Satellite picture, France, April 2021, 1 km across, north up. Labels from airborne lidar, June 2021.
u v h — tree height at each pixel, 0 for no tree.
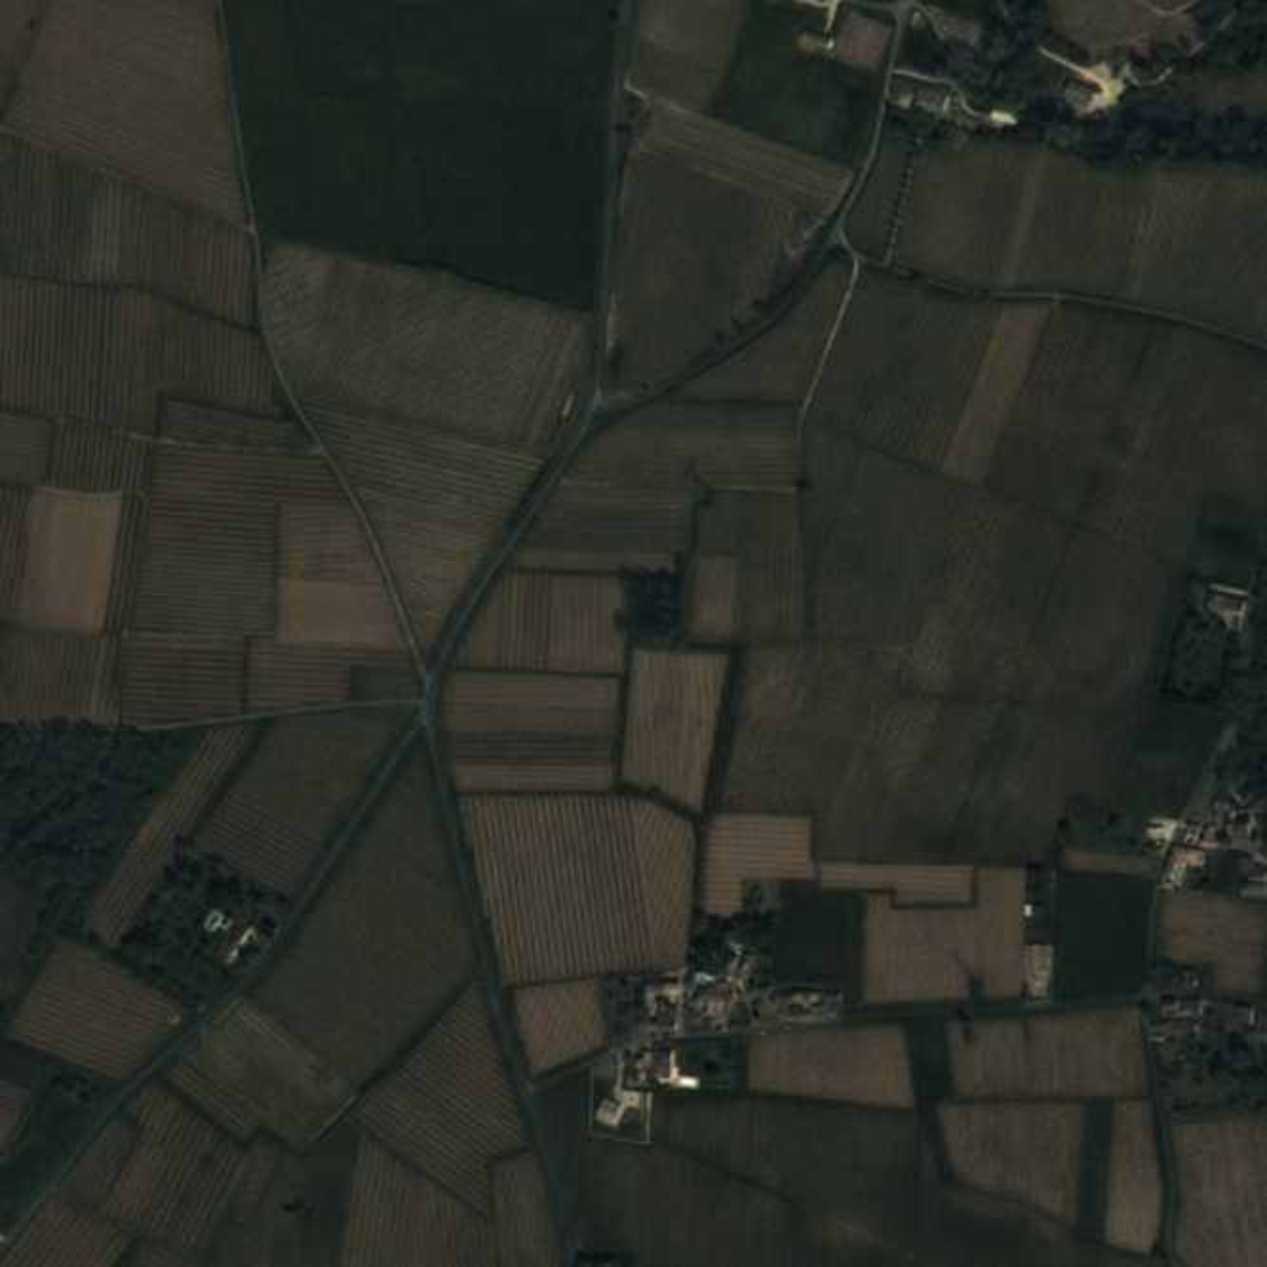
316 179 0
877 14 0
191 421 0
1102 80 0
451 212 0
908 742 0
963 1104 0
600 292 0
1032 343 0
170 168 0
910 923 0
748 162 0
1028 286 0
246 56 0
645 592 18
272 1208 0
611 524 0
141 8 0
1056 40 11
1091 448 0
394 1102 0
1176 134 21
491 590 0
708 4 0
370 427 0
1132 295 0
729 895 0
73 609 0
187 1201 0
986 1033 0
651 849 0
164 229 0
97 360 0
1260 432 0
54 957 0
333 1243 0
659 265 0
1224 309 0
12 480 0
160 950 11
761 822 0
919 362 0
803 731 0
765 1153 0
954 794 0
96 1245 0
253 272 0
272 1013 0
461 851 0
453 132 0
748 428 0
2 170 0
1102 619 0
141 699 0
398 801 0
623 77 0
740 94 0
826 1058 0
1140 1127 0
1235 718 8
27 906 0
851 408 0
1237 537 0
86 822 16
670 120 0
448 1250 0
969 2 0
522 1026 0
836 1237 0
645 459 0
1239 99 0
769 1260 0
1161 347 0
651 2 0
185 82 0
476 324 0
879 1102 0
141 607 0
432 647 0
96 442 0
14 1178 0
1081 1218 0
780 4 0
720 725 0
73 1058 0
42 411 0
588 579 0
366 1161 0
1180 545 0
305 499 0
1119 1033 0
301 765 0
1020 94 29
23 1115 0
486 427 0
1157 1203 0
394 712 0
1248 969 0
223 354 0
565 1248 0
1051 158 0
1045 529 0
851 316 0
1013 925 0
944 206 0
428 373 0
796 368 0
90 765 21
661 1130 0
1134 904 0
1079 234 0
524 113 0
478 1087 0
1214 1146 0
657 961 0
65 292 0
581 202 0
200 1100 0
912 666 0
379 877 0
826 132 0
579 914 0
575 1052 0
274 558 0
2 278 0
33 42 0
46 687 0
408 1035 0
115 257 0
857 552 0
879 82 0
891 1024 0
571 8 0
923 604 0
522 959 0
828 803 0
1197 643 6
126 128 0
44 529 0
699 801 0
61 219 0
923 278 11
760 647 0
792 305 0
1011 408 0
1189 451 0
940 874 0
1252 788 22
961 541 0
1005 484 0
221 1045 0
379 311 0
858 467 0
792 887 0
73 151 0
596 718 0
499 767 0
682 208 0
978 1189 0
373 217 0
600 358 0
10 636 0
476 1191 0
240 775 0
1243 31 9
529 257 0
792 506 0
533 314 0
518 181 0
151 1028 0
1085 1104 0
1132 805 0
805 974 0
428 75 0
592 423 0
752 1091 0
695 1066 0
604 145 0
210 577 0
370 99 0
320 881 0
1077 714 0
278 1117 0
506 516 0
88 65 0
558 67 0
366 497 0
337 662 0
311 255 0
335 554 0
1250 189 0
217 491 0
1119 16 0
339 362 0
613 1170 0
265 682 0
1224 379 0
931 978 0
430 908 0
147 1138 0
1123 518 0
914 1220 0
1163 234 0
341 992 0
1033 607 0
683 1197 0
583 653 0
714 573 0
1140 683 0
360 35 0
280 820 0
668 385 0
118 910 0
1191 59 13
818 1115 0
